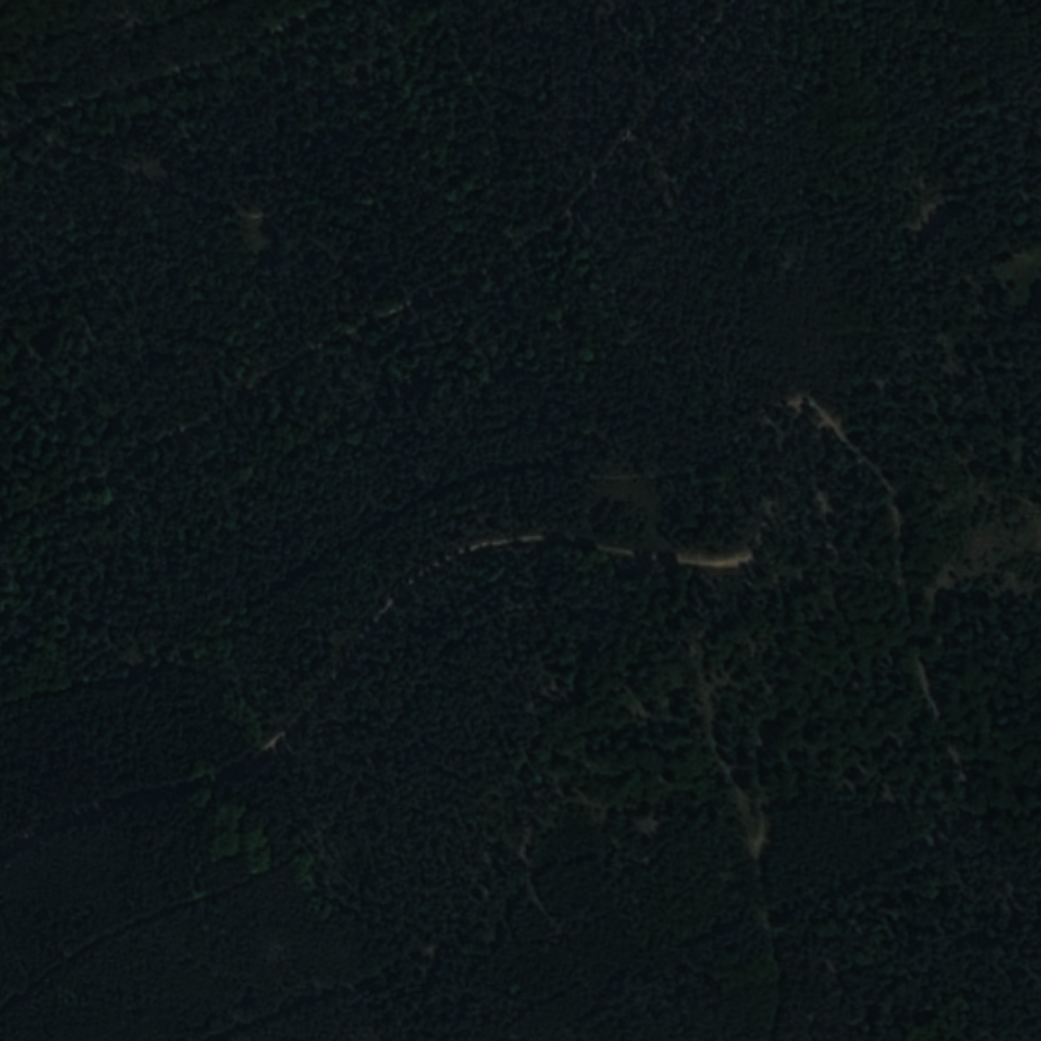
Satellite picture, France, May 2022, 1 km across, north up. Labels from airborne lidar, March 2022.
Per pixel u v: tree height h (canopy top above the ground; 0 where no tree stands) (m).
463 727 21
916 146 21
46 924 21
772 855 19
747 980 24
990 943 32
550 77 23
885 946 26
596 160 21
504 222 24
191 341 26
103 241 25
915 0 23
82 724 26
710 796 9
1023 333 26
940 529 9
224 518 29
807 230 17
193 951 22
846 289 23
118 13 21
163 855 25
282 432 28
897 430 22
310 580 19
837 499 17
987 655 28
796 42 22
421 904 26
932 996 26
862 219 23
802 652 26
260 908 22
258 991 20
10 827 19
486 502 25
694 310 18
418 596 22
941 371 8
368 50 22
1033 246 19
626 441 24
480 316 27
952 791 29
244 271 26
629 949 16
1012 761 26
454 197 27
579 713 23
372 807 25
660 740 34
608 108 23
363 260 26
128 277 30
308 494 18
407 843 24
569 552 27
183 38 23
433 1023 23
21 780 21
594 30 21
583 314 30
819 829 19
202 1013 16
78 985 12
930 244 25
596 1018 21
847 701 24
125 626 27
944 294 26
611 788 29
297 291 24
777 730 29
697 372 21
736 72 27
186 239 25
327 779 23
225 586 25
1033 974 31
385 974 11
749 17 20
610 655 28
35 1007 18
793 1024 22
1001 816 26
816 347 12
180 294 27
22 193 25
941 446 18
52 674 28
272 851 22
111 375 28
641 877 15
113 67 27
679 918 17
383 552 19
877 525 20
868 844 20
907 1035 29
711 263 19
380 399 5
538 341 27
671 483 21
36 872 21
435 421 21
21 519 22
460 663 19
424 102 32
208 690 15
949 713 30
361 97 19
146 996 12
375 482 24
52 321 7
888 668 27
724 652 7
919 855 27
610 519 15
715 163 21
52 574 25
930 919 19
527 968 15
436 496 20
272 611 17
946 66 27
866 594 18
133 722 23
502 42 26
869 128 23
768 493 27
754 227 19
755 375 14
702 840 19
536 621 19
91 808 0
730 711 9
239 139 24
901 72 26
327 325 24
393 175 25
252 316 25
